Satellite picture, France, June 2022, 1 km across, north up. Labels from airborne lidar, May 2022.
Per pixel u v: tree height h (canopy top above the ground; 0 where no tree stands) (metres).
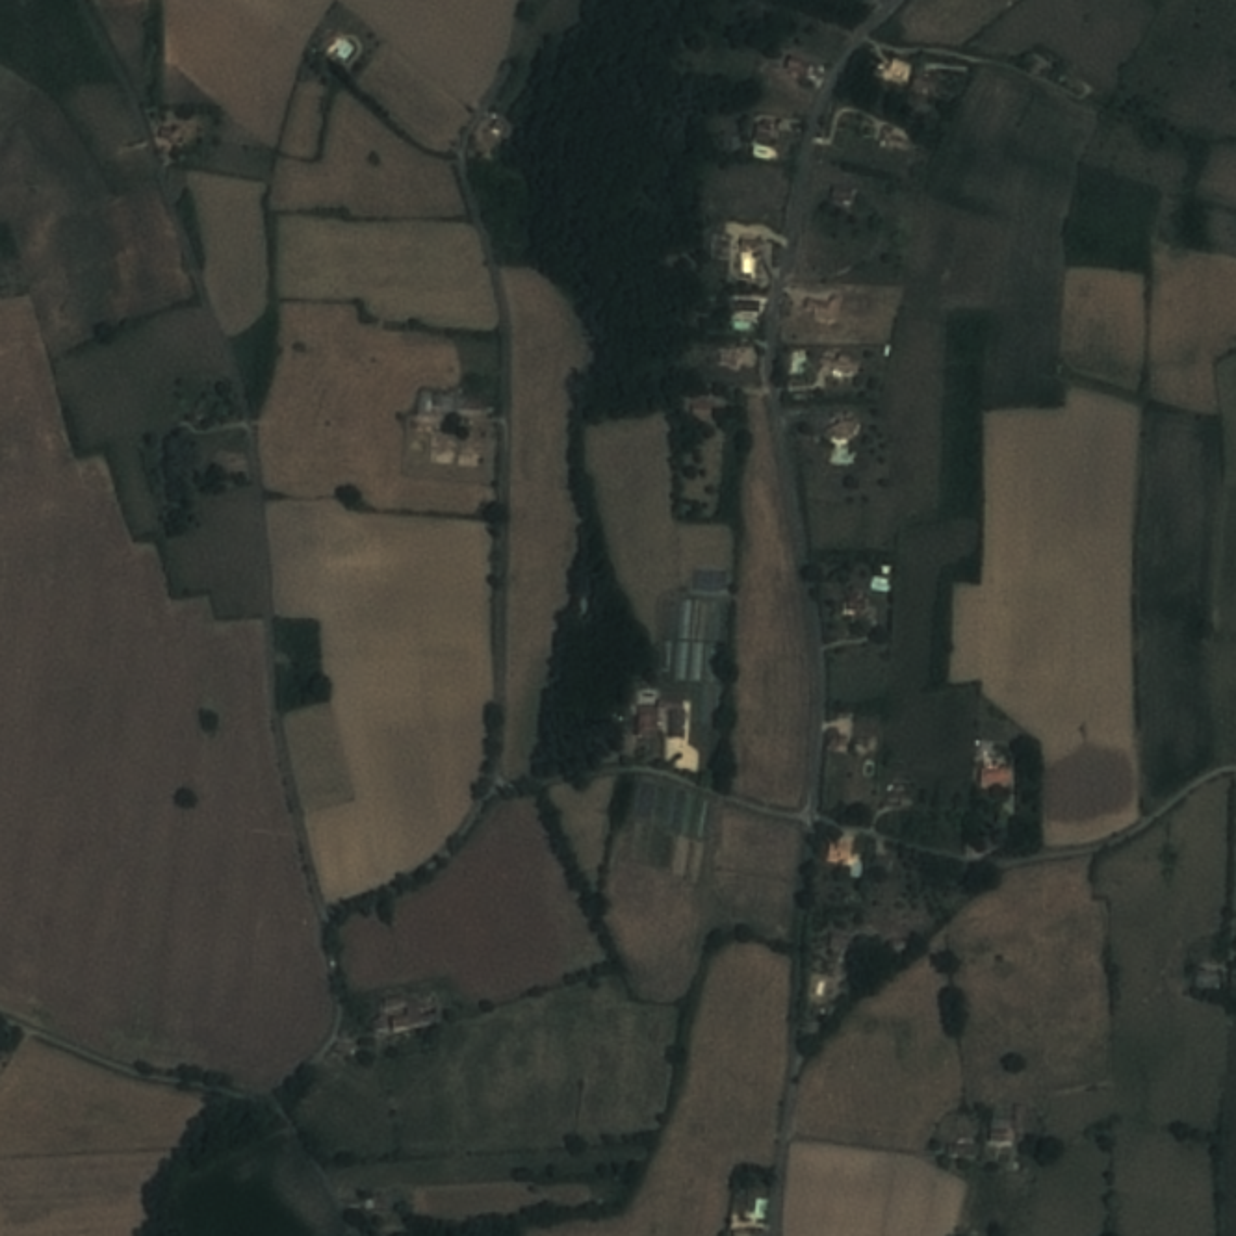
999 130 0
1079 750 0
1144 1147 0
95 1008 0
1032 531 0
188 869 0
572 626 20
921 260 0
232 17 0
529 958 0
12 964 0
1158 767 0
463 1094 0
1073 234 5
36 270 0
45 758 0
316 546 0
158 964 0
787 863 0
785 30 13
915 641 0
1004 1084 0
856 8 10
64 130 0
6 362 0
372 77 0
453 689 0
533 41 0
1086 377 0
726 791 12
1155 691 0
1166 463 0
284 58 0
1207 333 0
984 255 0
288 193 0
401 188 0
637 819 0
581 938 0
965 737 0
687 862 0
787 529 0
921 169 9
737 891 0
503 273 0
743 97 13
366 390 0
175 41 0
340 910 11
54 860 0
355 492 15
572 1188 0
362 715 0
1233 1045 0
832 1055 0
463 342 0
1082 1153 0
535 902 0
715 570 0
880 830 6
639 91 13
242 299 0
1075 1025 0
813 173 0
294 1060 0
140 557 0
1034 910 0
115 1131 0
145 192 0
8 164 0
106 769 0
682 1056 10
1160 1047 0
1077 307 0
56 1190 0
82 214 0
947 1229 0
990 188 0
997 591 0
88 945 0
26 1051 0
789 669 0
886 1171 0
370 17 0
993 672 0
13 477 0
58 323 0
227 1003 0
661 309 11
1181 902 0
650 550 0
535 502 0
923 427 0
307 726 0
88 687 0
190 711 0
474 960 0
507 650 0
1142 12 0
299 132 0
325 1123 0
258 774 0
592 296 17
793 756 0
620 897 0
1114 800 0
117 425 0
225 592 0
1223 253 0
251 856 0
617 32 18
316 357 0
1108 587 0
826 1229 0
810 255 0
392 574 0
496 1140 0
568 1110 0
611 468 0
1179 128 9
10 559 0
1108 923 0
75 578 0
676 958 0
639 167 24
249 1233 0
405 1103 0
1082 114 0
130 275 0
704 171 0
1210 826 0
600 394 23
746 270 0
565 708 17
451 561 0
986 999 0
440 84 0
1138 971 0
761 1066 0
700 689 0
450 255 0
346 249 0
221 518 0
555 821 12
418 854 0
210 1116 18
